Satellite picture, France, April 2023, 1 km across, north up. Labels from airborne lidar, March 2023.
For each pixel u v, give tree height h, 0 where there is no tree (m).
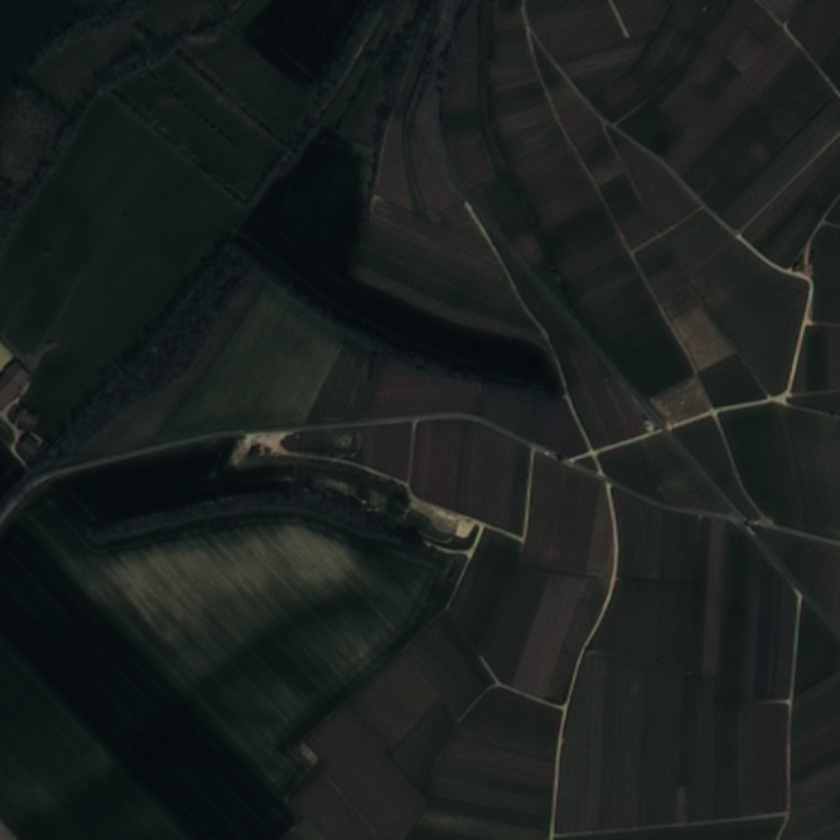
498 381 0
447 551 0
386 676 0
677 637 0
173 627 0
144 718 0
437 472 0
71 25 7
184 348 23
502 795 0
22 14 0
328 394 0
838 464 0
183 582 0
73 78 0
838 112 0
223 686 0
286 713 0
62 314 0
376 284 0
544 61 0
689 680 0
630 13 0
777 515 0
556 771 0
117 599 0
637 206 0
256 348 0
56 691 0
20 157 0
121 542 0
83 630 0
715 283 0
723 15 0
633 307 0
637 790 0
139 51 13
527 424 0
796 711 0
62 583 0
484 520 0
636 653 0
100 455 0
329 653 0
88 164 0
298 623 0
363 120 0
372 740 0
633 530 0
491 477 0
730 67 0
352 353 0
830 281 0
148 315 0
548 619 0
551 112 0
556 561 0
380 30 0
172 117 0
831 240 0
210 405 0
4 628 0
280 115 0
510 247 0
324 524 0
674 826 0
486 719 0
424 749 0
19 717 0
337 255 0
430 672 0
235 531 0
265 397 0
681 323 0
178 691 0
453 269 0
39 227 0
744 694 0
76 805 0
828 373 0
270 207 0
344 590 0
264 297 0
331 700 0
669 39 0
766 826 0
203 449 0
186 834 0
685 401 0
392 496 0
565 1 0
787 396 0
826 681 0
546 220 0
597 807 0
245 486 0
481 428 0
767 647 0
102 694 0
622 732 0
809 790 0
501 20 0
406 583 0
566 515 0
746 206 0
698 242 0
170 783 0
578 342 0
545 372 0
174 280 0
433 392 0
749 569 0
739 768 0
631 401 0
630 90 0
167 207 0
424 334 0
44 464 15
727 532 0
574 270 0
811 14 0
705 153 0
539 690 0
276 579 0
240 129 0
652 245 0
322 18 0
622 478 0
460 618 0
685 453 0
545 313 0
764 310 0
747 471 0
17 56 0
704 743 0
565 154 0
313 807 0
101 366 0
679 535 0
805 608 0
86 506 0
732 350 0
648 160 0
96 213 0
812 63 0
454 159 0
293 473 0
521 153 0
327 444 0
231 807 0
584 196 0
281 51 0
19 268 0
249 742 0
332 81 12
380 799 0
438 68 0
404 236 0
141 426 0
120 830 0
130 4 14
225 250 12
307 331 0
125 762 0
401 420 0
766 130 0
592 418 0
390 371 0
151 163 0
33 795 0
